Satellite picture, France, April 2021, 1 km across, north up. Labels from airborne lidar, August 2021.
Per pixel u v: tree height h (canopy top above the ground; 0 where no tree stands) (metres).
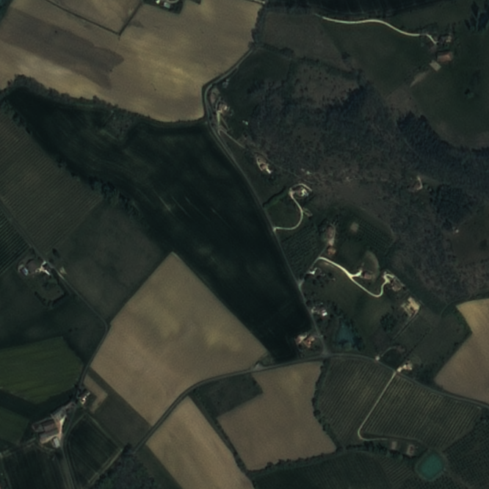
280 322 0
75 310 0
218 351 0
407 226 7
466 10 0
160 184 0
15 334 0
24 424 0
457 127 0
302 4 0
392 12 0
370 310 0
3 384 0
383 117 14
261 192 0
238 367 0
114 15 0
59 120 0
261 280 0
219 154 0
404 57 0
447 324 0
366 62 0
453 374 0
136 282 0
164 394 0
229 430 0
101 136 0
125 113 10
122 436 0
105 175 0
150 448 0
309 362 0
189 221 0
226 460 0
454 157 17
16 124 13
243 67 0
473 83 0
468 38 0
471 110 0
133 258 0
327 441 0
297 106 16
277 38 0
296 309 0
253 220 0
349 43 0
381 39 0
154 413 0
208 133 0
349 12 0
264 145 10
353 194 0
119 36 0
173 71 0
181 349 0
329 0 0
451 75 0
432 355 0
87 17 0
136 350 0
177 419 0
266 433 0
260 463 0
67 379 0
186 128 0
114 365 0
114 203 22
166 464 0
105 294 0
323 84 0
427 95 0
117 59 0
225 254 0
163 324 0
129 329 0
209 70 0
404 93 0
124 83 0
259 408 0
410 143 15
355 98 20
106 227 0
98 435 0
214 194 0
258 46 13
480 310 0
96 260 0
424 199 0
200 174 0
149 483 21
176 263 0
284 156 6
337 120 8
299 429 0
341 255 0
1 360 0
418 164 11
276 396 0
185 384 0
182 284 0
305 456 0
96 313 0
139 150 0
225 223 0
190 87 0
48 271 0
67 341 0
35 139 0
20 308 0
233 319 0
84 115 0
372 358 0
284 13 16
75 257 0
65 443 0
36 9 0
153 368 0
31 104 0
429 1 0
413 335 0
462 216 14
